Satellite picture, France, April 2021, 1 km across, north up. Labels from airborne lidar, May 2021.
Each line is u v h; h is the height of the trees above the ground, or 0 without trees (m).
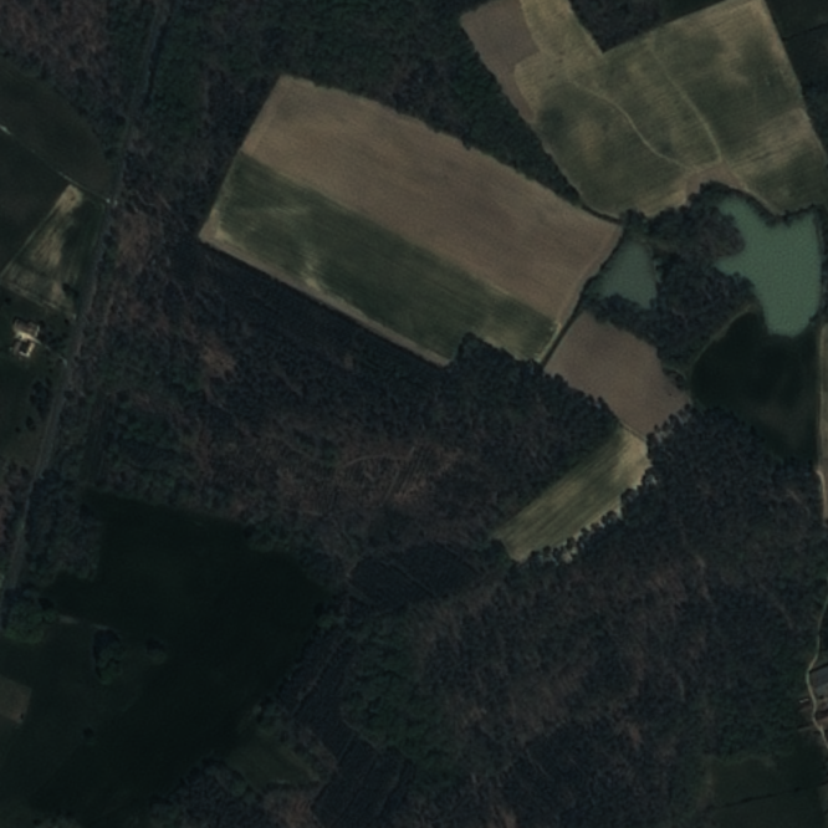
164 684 0
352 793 10
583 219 0
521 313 0
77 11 13
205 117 13
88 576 14
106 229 0
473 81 23
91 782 0
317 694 12
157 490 13
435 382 12
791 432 0
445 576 9
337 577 25
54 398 11
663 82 0
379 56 17
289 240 0
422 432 15
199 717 0
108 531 0
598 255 0
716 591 16
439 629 13
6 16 13
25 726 0
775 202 0
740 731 23
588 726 11
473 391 13
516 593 25
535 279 0
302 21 16
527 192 0
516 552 0
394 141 0
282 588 0
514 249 0
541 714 18
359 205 0
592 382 0
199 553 0
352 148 0
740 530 18
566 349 0
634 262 0
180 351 12
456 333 0
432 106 21
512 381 26
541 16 0
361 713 13
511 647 25
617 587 16
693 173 0
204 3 25
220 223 0
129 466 8
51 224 0
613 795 26
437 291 0
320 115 0
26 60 12
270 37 16
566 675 13
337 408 21
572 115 0
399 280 0
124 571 0
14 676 0
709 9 0
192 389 20
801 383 0
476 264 0
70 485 18
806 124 0
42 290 0
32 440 0
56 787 0
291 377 21
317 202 0
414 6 14
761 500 19
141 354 19
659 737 18
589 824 29
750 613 21
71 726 0
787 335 0
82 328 0
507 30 0
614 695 24
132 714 0
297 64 15
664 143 0
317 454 17
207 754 0
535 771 14
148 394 8
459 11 18
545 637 15
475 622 16
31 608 23
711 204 14
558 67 0
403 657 20
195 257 12
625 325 14
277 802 12
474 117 19
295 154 0
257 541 15
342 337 11
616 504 0
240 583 0
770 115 0
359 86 14
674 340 24
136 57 8
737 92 0
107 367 14
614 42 9
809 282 0
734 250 12
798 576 13
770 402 0
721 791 0
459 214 0
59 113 0
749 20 0
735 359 0
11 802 0
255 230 0
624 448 0
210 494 14
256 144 0
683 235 18
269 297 15
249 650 0
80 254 0
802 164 0
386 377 8
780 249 0
